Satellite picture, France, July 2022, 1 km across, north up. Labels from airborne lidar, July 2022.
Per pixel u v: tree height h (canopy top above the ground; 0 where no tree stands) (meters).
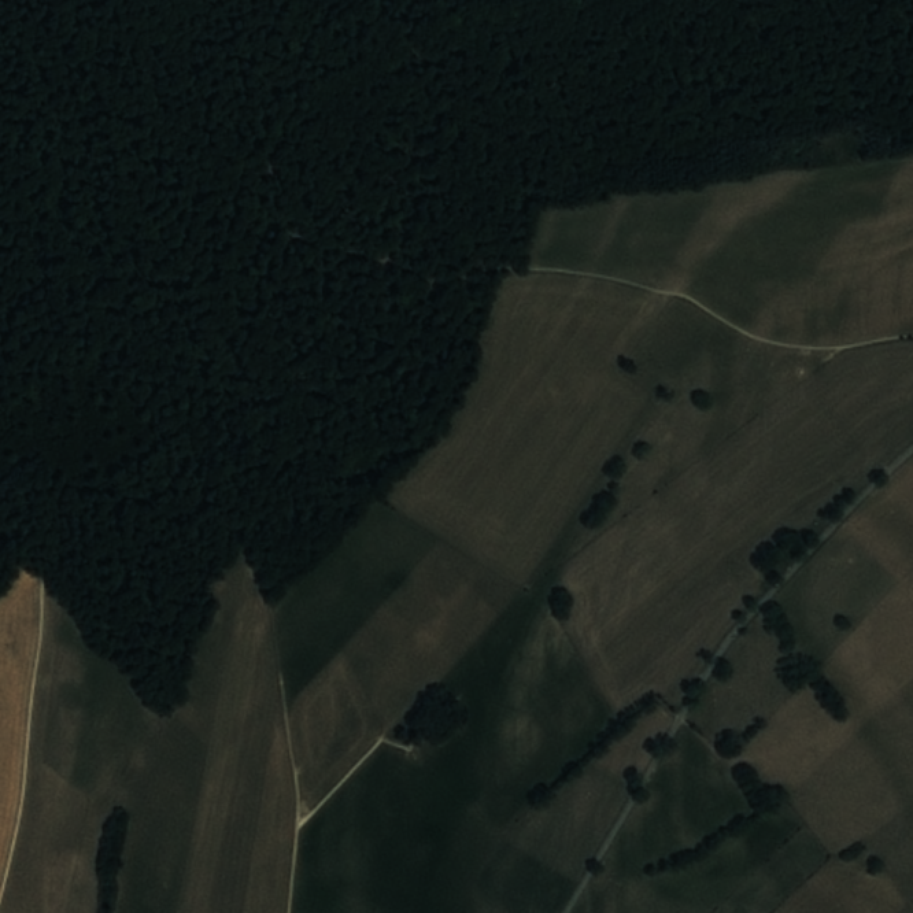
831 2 25
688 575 0
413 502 0
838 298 0
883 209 0
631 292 0
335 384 33
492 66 27
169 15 21
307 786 0
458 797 0
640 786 22
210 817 0
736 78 24
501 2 29
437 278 24
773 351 0
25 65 27
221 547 24
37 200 30
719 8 26
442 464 0
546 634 0
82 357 29
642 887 0
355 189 27
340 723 0
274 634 0
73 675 0
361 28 10
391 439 30
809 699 0
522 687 0
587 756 6
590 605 0
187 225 30
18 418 12
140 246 31
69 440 10
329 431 33
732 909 0
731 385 0
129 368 28
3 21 27
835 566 0
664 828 0
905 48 22
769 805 24
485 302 27
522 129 21
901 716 0
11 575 24
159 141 32
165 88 28
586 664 0
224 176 32
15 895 0
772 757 0
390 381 27
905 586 0
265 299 29
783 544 22
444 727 24
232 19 10
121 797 0
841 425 0
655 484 0
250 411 28
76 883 0
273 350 27
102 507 31
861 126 24
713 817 0
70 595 20
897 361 0
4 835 0
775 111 27
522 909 0
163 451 22
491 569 0
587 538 0
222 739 0
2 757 0
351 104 19
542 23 25
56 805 0
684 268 0
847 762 0
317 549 26
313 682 0
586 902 0
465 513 0
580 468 0
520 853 0
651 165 19
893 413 0
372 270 27
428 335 30
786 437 0
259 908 0
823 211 0
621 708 0
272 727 0
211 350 30
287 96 24
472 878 0
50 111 27
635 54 28
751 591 0
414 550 0
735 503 0
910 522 0
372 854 0
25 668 0
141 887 0
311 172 24
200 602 24
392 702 0
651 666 0
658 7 24
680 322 0
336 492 23
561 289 0
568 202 20
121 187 30
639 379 0
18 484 23
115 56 24
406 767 0
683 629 0
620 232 0
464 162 24
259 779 0
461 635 0
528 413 0
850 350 0
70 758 0
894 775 0
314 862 0
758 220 0
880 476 19
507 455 0
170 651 26
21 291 33
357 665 0
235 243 30
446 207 19
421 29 30
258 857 0
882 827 0
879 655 0
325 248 21
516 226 30
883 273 0
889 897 0
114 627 29
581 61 27
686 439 0
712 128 31
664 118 28
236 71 16
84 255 30
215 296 23
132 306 26
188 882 0
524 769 0
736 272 0
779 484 0
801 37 29
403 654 0
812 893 0
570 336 0
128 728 0
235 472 28
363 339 32
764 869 0
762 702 0
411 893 0
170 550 28
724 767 0
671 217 0
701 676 0
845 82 31
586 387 0
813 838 0
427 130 28
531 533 0
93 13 25
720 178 20
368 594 0
